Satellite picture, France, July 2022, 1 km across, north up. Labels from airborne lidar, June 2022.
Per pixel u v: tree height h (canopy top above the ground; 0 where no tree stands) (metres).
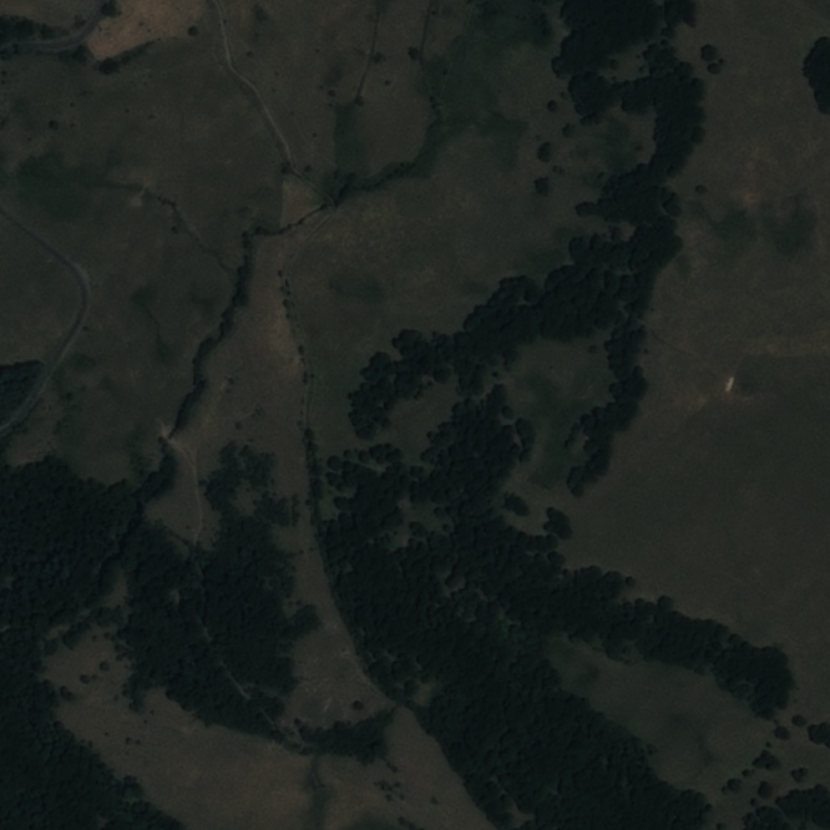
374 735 10
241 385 0
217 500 12
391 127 0
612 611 8
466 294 0
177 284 0
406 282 0
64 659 0
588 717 11
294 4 0
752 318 0
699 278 0
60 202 0
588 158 0
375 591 12
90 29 0
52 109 0
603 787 15
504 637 7
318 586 0
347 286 0
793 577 0
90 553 13
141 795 14
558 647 0
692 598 0
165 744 0
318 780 0
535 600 16
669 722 0
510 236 0
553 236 0
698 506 0
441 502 16
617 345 15
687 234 0
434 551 13
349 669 0
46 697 11
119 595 0
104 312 0
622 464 0
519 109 0
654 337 0
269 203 0
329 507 0
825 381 0
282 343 0
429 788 0
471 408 11
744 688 6
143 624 7
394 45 0
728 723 0
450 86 0
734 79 0
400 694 9
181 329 0
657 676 0
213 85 0
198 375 8
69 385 0
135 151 0
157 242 0
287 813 0
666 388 0
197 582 9
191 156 0
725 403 0
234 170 0
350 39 0
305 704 0
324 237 0
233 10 0
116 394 0
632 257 13
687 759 0
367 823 0
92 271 0
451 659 14
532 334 12
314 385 0
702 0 0
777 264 0
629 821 18
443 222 0
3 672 8
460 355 16
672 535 0
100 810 17
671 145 15
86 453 0
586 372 0
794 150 0
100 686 0
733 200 0
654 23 12
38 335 0
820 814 16
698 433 0
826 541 0
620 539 0
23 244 0
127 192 0
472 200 0
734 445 0
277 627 9
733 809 0
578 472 12
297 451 0
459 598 11
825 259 0
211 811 0
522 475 0
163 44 0
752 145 0
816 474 0
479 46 0
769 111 0
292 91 0
